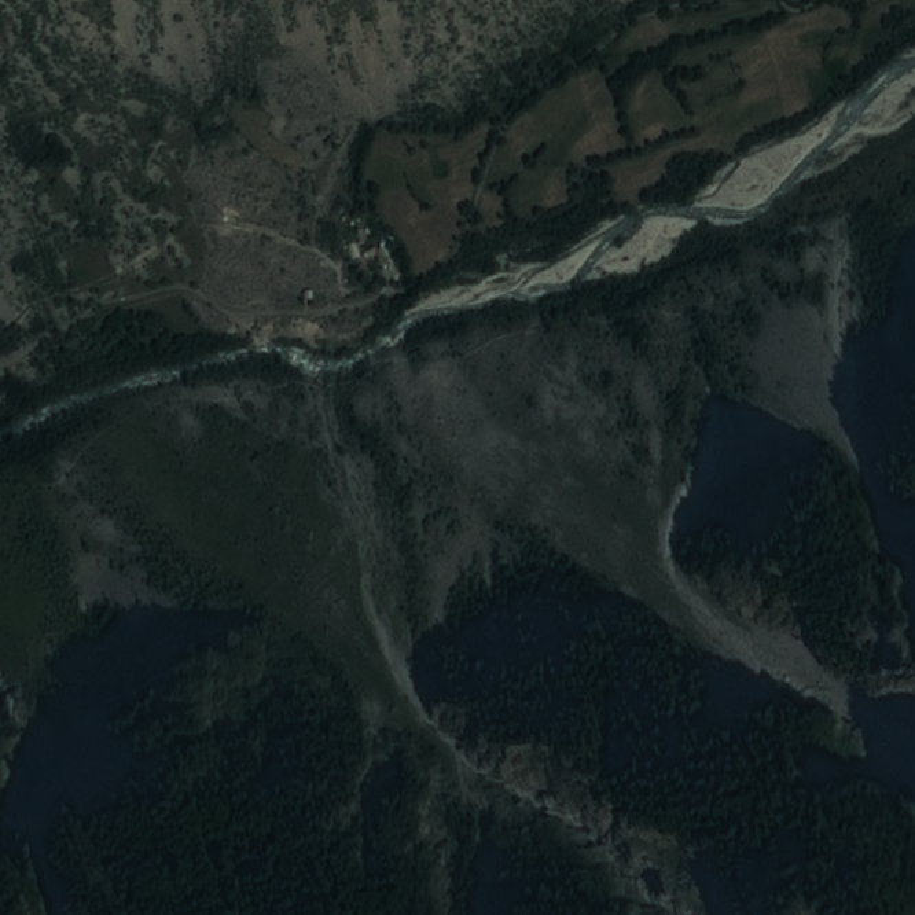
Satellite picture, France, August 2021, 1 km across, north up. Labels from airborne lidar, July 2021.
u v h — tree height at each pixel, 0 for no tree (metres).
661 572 0
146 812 21
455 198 0
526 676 20
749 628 0
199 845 20
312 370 0
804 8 7
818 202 6
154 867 16
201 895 12
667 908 0
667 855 0
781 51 0
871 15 0
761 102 0
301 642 7
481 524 0
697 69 11
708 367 10
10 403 8
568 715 20
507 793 0
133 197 6
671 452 0
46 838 7
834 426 0
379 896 14
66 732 9
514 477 0
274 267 0
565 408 0
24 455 15
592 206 7
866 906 12
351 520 0
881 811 9
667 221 0
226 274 0
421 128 7
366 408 0
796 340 0
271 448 7
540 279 0
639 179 0
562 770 7
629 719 24
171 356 9
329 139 9
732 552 9
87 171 11
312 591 0
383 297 8
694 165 9
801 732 9
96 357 8
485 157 17
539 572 14
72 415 8
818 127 0
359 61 0
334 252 6
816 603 9
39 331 11
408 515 6
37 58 6
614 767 11
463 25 0
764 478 10
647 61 20
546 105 0
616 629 13
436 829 0
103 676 7
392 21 0
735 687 0
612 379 14
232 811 12
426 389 0
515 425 0
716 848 9
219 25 6
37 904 7
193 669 8
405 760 6
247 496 0
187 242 0
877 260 11
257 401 0
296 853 16
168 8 0
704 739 20
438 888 0
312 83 0
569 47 8
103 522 0
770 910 8
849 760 0
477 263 7
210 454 0
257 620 7
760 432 0
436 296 0
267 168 0
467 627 9
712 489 7
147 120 7
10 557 6
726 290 0
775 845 6
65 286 9
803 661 0
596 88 0
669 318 0
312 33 0
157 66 0
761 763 7
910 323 10
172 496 0
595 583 6
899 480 9
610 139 0
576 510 0
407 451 0
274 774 20
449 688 20
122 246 6
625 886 0
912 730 0
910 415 13
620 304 11
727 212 0
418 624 7
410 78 0
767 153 0
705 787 21
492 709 15
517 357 0
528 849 6
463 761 0
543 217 7
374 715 0
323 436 0
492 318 7
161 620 8
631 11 12
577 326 10
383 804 12
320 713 8
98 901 12
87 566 0
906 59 0
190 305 10
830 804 8
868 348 7
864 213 13
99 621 7
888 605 10
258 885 10
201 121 7
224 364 6
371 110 0
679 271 10
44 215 7
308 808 9
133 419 0
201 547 0
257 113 0
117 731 22
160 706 6
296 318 0
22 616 0
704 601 0
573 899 10
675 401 10
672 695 21
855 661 12
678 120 0
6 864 19
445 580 0
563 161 0
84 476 0
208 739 7
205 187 0
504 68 8
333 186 0
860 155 7
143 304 0
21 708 0
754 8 0
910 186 11
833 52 0
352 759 18
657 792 10
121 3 0
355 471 0
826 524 20
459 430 0
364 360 8
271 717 11
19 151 8
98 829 16
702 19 0
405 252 13
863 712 0
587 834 0
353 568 0
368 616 0
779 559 15
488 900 8
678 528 0
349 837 20
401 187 0
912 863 7
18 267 8
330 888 12
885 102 0
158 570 7
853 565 15
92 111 0
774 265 0
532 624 6
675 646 16
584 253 0
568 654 17
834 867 9
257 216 0
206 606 7
